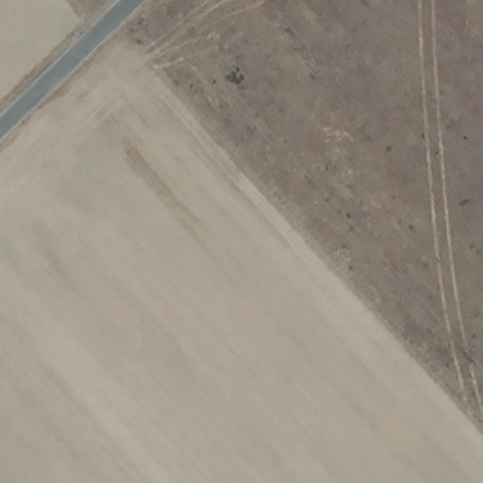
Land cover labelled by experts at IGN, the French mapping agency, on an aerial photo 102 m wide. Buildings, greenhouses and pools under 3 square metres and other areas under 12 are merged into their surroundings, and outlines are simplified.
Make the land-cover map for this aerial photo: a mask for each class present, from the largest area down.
<instances>
[{"label":"agricultural land","instance_id":"1","mask_svg":"<svg viewBox=\"0 0 483 483\"><path fill-rule=\"evenodd\" d=\"M108 0H0V100L8 92L13 91L15 85L21 83L26 74H30L36 66H42L43 58L51 53L55 45L64 40L68 32H72L77 25H83L85 13H96ZM138 17L126 23L128 42H115L111 49H102L104 58L100 62H94L85 72L75 75L66 91L53 102L36 108L28 111L23 119H19L17 125L11 126L0 138V483H483V0H143L142 4L134 9Z\"/></svg>","mask_w":483,"mask_h":483},{"label":"herbaceous vegetation","instance_id":"2","mask_svg":"<svg viewBox=\"0 0 483 483\"><path fill-rule=\"evenodd\" d=\"M121 0H108L96 13H85L83 25H77L72 32H68L64 40L55 45L51 53L43 58L42 66H36L30 74H26L21 83L15 85L13 91L8 92L0 100V119L42 79L43 75L53 70L58 60L70 49H74L75 45L81 42ZM138 17L134 9L102 42L94 45V49L87 57L81 58L77 66L47 91L36 104V108L53 102L66 91L75 75L85 72L94 62H100L104 58L102 49H111L115 42H128L126 23Z\"/></svg>","mask_w":483,"mask_h":483},{"label":"impervious surface","instance_id":"3","mask_svg":"<svg viewBox=\"0 0 483 483\"><path fill-rule=\"evenodd\" d=\"M143 0H121L81 42L75 45L74 49H70L58 60L53 70L43 75L42 79L0 119V138L11 126L17 125L19 119H23L28 111L36 108V104L47 91L77 66L81 58L87 57L94 49V45L102 42L134 9L142 4Z\"/></svg>","mask_w":483,"mask_h":483}]
</instances>
